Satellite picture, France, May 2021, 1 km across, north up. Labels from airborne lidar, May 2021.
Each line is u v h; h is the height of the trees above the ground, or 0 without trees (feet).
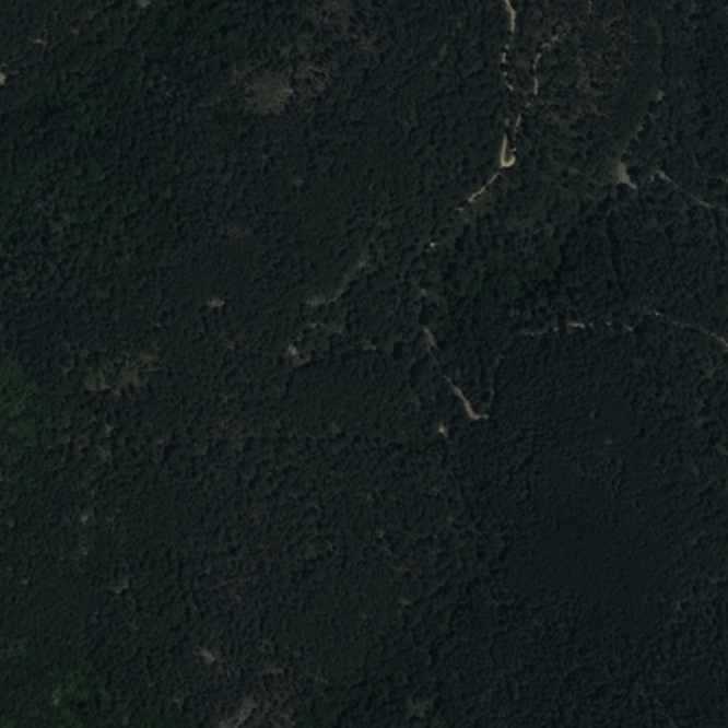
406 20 74
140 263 46
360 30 86
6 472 63
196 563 75
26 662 59
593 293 63
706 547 100
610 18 102
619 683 65
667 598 58
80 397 84
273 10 112
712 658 38
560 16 102
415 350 107
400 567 100
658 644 48
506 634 79
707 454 101
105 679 63
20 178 56
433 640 97
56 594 65
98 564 64
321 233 102
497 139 50
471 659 68
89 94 57
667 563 60
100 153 82
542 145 100
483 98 95
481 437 91
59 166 67
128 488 89
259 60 93
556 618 62
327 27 80
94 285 60
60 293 78
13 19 68
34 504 82
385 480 99
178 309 84
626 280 103
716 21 76
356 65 101
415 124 52
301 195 102
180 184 88
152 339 110
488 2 92
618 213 123
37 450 75
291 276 103
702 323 100
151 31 85
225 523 79
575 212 103
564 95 106
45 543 80
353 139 95
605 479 48
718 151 71
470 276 114
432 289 149
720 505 97
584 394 62
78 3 83
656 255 78
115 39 97
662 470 55
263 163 76
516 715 23
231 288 96
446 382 78
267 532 76
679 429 68
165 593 58
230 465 81
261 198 92
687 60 113
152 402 87
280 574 91
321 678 104
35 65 81
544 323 73
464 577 109
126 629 87
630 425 59
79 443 31
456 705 88
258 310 107
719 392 111
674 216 99
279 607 69
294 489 77
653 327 99
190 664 81
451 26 44
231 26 35
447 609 85
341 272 63
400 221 94
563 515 44
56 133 92
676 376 89
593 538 56
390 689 52
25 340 53
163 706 88
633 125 107
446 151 113
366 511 121
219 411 71
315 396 110
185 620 106
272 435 118
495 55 97
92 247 50
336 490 111
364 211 82
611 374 61
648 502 58
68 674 61
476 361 61
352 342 71
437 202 100
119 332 84
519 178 115
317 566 112
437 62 56
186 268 85
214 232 68
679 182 110
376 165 96
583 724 59
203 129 67
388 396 89
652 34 95
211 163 58
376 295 76
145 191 88
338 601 81
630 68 113
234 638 70
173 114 70
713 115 105
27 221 32
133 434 119
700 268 82
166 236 64
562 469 40
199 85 73
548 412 47
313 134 101
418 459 109
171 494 61
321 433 95
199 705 87
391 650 117
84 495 54
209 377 58
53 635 69
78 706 54
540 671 67
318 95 91
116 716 79
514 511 82
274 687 96
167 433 113
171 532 74
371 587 117
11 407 52
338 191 104
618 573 39
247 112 55
